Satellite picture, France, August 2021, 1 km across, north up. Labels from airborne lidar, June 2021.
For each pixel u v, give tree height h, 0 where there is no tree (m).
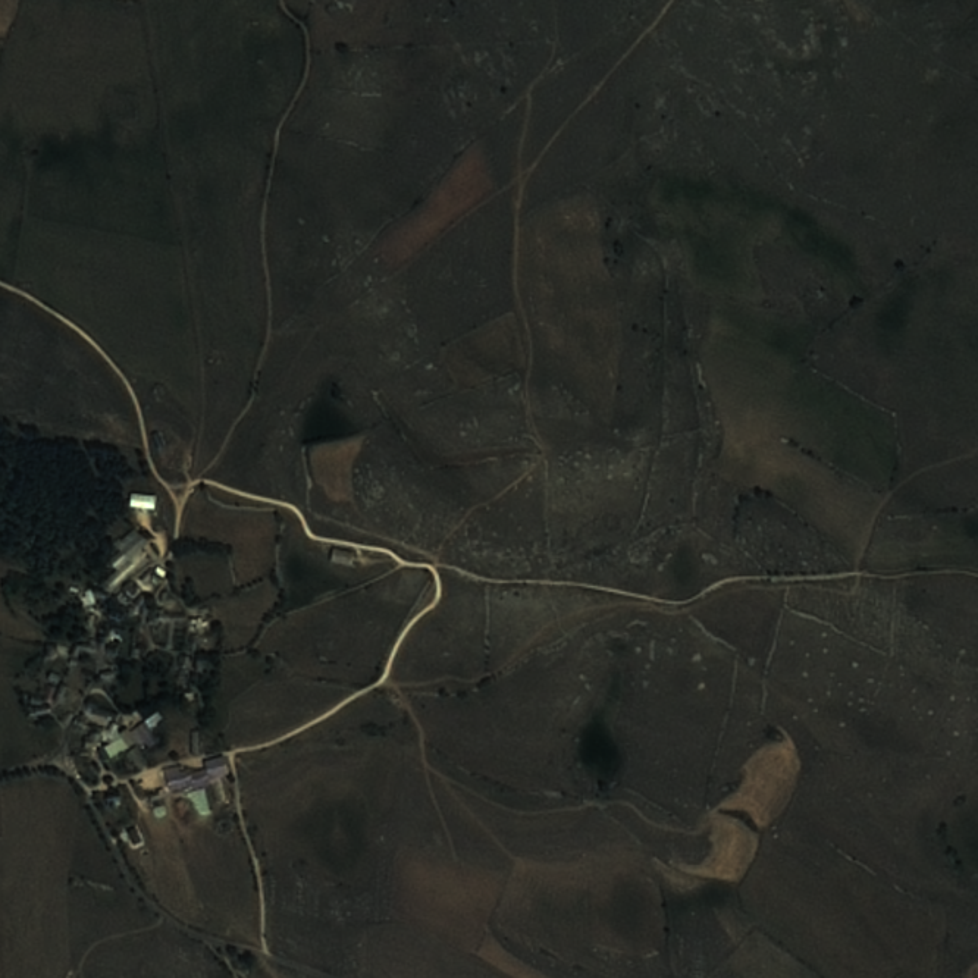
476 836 0
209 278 0
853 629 0
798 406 0
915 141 0
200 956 0
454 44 0
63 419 0
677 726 0
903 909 0
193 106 0
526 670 0
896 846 0
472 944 0
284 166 0
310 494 0
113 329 0
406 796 0
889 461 0
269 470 0
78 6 0
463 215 0
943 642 0
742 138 0
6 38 0
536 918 0
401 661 0
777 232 0
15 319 0
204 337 0
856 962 0
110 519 13
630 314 0
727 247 0
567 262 0
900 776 0
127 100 0
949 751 0
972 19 0
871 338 0
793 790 0
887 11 0
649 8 0
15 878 0
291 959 0
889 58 0
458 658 0
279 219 0
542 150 0
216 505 0
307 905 0
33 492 22
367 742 0
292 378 0
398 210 0
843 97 0
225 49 0
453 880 0
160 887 0
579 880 0
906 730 0
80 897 0
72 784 10
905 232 0
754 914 0
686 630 0
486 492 0
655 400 0
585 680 0
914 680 0
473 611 0
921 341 0
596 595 0
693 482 0
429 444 0
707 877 0
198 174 0
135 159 0
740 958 0
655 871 0
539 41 0
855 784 0
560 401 0
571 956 0
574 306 0
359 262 0
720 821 0
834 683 0
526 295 0
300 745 0
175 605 0
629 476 0
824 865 0
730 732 0
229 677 0
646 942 0
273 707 0
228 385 0
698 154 0
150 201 0
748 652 0
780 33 0
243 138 0
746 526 0
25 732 0
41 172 0
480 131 0
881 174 0
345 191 0
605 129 0
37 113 0
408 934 0
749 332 0
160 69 0
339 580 0
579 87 0
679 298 0
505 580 0
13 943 0
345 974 0
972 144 0
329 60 0
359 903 0
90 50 0
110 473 12
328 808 0
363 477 0
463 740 0
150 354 0
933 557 0
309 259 0
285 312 0
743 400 0
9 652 0
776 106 0
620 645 0
